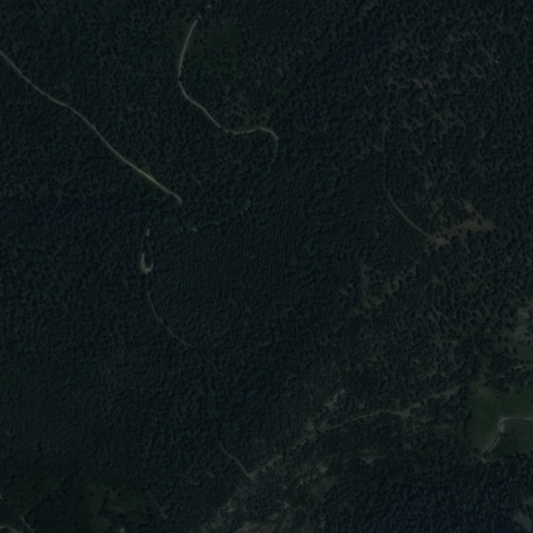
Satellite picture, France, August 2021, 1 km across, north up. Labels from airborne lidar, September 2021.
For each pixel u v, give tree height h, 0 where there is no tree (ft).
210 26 58
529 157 60
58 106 54
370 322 50
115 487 51
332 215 27
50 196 20
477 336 49
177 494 52
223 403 37
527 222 62
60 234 57
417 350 38
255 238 46
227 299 56
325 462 24
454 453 35
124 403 56
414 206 35
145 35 23
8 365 76
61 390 37
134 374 57
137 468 70
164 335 40
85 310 59
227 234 62
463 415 32
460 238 54
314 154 75
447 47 30
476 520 42
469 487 66
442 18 27
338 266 75
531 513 31
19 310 31
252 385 28
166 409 26
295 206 50
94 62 28
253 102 26
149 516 34
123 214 61
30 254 58
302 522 26
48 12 73
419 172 37
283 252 37
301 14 42
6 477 49
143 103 28
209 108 55
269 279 50
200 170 74
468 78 21
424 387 23
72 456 71
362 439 42
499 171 36
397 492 62
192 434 56
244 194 49
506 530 43
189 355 59
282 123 35
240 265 32
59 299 80
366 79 41
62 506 64
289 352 38
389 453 19
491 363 18
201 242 66
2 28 22
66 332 58
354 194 59
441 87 42
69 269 37
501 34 40
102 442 68
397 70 36
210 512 23
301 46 58
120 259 56
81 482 62
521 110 60
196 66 31
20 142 41
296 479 22
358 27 47
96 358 61
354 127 70
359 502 35
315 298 38
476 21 60
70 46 29
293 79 66
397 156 42
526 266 61
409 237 34
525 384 0
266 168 44
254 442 48
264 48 53
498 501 37
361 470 61
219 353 60
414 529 37
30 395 76
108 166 69
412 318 62
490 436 0
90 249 29
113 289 60
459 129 39
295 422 31
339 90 54
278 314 72
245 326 69
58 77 59
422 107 62
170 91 68
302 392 54
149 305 60
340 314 43
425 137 32
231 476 53
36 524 50
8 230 56
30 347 59
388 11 20
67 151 80
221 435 47
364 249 60
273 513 31
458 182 25
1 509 58
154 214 51
